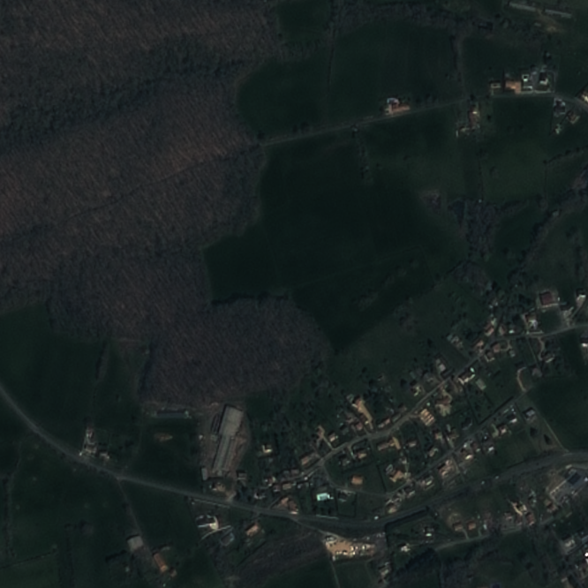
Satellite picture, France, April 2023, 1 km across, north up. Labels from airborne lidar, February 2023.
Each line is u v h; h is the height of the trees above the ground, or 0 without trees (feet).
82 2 82
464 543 0
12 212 75
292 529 19
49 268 85
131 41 73
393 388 0
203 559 0
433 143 0
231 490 0
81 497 0
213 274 0
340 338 0
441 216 0
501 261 0
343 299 0
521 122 0
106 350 36
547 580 49
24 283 78
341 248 0
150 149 84
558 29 0
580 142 0
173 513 0
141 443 0
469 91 0
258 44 75
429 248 0
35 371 0
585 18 0
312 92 0
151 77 78
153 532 0
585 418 0
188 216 79
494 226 48
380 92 0
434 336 0
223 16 77
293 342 86
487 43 0
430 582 0
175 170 65
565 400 0
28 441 0
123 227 74
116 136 84
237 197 83
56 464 0
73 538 0
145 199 81
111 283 81
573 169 0
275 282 0
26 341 0
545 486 0
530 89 0
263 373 70
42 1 85
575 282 0
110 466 0
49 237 72
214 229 80
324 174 0
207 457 0
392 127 0
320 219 0
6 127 52
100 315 81
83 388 0
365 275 0
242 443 0
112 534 0
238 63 71
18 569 0
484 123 0
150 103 84
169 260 87
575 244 37
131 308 82
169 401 62
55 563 0
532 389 0
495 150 0
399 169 0
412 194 0
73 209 73
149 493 0
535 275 0
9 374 0
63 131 83
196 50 60
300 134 46
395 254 0
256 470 0
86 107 70
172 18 81
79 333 59
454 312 26
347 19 62
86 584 0
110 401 0
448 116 0
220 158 50
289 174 0
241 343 85
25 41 78
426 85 0
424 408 0
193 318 74
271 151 0
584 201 52
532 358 0
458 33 43
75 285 77
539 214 0
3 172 68
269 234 0
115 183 73
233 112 75
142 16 86
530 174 0
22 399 0
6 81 61
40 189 63
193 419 0
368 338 0
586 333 0
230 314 71
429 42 0
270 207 0
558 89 0
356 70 0
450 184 0
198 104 80
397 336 0
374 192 0
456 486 0
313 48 55
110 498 0
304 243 0
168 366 80
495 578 0
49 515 0
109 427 0
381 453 0
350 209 0
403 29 0
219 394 81
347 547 0
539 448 0
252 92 0
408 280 0
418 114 0
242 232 70
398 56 0
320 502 0
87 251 80
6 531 44
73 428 0
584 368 0
